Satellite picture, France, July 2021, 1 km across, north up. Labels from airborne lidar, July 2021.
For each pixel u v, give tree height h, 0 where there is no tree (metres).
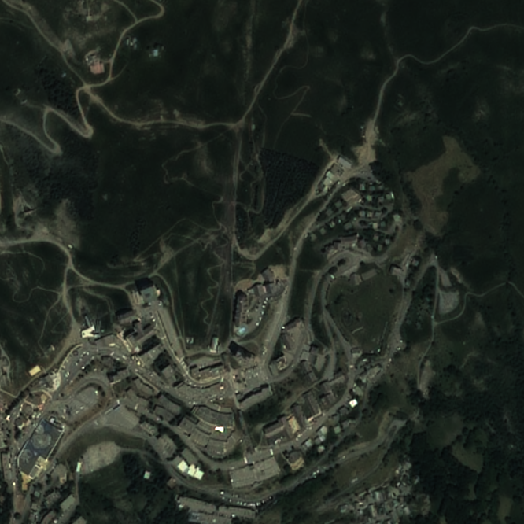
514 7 0
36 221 0
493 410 11
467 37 0
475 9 0
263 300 0
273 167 11
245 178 0
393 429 0
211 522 0
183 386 0
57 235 0
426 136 0
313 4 0
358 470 0
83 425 0
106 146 0
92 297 0
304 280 0
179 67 0
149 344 10
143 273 0
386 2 0
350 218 7
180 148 0
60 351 0
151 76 0
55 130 0
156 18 0
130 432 0
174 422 12
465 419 8
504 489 0
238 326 0
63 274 0
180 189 0
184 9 0
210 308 0
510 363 10
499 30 0
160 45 7
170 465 0
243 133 0
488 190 0
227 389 0
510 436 12
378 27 0
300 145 0
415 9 0
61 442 0
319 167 6
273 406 7
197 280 0
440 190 0
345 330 0
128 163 0
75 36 0
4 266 0
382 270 0
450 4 0
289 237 0
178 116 0
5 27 0
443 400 11
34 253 0
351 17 0
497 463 13
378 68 0
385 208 11
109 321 0
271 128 0
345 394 0
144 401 0
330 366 0
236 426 0
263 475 0
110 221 0
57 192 8
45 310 0
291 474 13
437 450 11
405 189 10
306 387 0
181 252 0
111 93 0
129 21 0
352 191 0
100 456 0
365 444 0
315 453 12
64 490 10
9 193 0
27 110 0
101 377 0
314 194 0
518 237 0
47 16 0
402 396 0
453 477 17
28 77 0
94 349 0
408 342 8
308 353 0
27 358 0
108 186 0
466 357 0
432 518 9
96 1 0
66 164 8
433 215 0
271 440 0
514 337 8
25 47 0
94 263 0
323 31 0
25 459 0
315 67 0
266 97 0
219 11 0
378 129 0
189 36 0
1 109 0
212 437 0
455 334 0
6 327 0
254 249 0
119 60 0
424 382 0
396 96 0
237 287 0
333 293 0
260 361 0
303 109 0
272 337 0
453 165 0
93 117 0
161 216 0
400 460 11
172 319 0
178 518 13
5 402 0
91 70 0
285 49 0
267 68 0
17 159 0
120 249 0
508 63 0
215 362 0
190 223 0
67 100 9
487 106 0
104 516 0
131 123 0
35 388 0
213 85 0
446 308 0
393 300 0
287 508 9
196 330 0
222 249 0
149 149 0
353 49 0
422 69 6
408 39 0
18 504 0
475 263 0
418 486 9
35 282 0
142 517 10
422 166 0
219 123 0
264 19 0
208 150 0
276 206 7
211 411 0
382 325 0
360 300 0
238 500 0
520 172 0
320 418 0
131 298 0
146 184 0
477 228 0
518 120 0
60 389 0
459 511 24
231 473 0
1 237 0
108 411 0
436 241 7
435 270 10
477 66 0
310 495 13
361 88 0
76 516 11
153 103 0
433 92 0
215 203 0
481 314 6
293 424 0
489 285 0
